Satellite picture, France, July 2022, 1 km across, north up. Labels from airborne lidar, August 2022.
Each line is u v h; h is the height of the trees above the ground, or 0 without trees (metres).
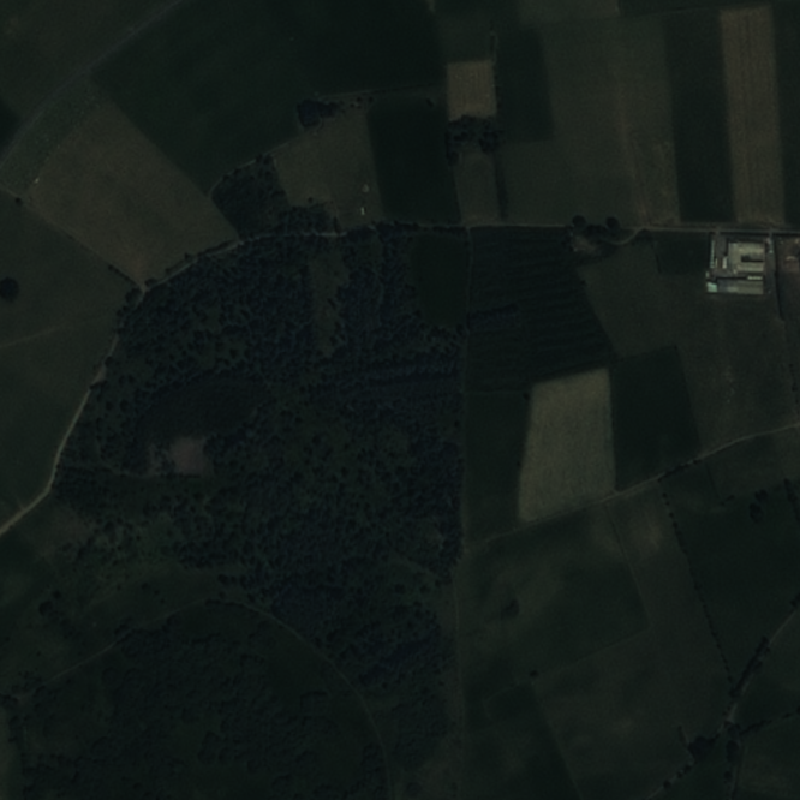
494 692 0
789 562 0
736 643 0
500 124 0
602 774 0
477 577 0
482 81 0
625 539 0
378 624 13
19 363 0
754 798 0
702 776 0
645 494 0
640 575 0
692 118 0
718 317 0
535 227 0
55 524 0
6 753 0
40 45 0
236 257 11
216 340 10
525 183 0
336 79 0
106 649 0
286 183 0
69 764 6
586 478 0
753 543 0
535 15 0
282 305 21
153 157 0
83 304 0
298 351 19
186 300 10
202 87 0
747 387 0
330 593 25
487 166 0
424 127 0
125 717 6
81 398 0
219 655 12
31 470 0
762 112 0
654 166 0
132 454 11
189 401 12
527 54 0
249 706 9
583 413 0
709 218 0
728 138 0
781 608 0
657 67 0
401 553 13
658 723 0
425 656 17
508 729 0
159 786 8
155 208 0
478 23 0
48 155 0
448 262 0
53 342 0
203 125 0
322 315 0
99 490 8
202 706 9
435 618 9
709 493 0
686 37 0
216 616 7
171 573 0
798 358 0
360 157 0
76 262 0
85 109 0
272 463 11
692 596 0
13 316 0
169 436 13
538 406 0
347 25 0
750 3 0
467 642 0
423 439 14
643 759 0
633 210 0
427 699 7
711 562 0
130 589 0
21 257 0
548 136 0
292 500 12
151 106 0
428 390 20
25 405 0
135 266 0
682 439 0
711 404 0
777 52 0
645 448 0
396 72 0
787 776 0
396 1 0
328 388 15
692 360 0
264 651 8
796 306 0
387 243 14
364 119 0
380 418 10
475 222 0
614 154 0
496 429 0
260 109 0
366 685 24
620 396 0
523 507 0
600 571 0
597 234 11
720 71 0
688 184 0
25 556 0
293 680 0
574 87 0
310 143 0
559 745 0
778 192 0
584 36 0
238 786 0
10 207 0
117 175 0
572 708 0
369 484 9
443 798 0
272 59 0
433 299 0
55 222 0
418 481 10
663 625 0
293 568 11
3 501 0
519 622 0
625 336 0
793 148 0
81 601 6
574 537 0
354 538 18
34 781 6
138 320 12
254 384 10
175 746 0
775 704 0
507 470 0
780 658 0
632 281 0
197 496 15
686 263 0
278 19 0
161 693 12
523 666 0
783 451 0
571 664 0
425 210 0
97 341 0
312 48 0
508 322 16
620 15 0
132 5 0
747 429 0
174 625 12
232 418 13
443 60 0
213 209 0
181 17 0
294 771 8
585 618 0
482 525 0
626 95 0
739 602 0
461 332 15
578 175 0
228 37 0
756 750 0
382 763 8
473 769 0
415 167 0
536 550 0
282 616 29
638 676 0
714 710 0
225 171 0
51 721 6
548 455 0
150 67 0
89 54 0
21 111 0
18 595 0
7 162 0
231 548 20
